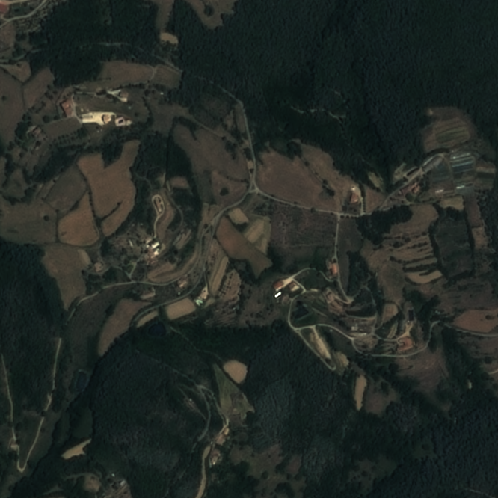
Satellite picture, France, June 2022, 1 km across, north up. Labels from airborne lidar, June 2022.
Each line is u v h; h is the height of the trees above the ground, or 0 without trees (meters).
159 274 0
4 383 0
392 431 15
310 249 0
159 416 0
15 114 0
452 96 13
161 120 0
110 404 17
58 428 20
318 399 16
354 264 10
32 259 25
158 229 0
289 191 0
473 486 13
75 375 9
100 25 12
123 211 0
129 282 7
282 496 0
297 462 0
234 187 0
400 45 13
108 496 0
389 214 10
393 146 20
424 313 12
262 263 0
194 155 0
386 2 16
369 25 22
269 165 0
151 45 15
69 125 0
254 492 8
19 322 7
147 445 9
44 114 0
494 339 0
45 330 15
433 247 8
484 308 6
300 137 10
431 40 16
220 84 11
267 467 0
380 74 22
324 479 9
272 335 13
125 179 0
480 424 23
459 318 0
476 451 15
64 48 15
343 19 27
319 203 0
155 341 10
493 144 10
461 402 13
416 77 17
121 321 0
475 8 15
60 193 0
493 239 7
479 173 0
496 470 20
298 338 8
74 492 9
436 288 0
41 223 0
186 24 17
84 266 0
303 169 0
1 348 8
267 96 6
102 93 6
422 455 0
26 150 5
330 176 0
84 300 0
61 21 12
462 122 0
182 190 7
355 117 10
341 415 6
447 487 15
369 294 13
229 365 0
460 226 0
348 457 10
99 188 0
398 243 8
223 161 0
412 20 14
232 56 16
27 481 22
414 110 12
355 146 9
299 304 9
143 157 11
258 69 14
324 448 11
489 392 19
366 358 12
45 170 7
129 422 12
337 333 0
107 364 23
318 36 24
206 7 7
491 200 9
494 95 15
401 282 0
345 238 0
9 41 0
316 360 8
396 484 21
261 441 13
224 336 7
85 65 16
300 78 29
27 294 11
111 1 15
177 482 8
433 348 10
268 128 10
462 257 0
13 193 0
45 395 15
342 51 21
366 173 7
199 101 11
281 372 11
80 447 0
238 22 15
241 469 11
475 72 13
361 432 9
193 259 0
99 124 0
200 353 7
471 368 9
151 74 0
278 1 13
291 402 13
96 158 0
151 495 7
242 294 8
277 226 0
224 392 0
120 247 0
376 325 7
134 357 15
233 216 0
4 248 29
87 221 0
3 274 19
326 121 16
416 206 0
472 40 13
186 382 8
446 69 13
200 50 19
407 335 0
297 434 12
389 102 22
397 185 7
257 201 0
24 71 0
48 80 0
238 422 0
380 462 7
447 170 0
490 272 8
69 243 0
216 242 0
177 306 0
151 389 13
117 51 15
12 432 0
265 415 11
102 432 12
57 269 0
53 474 14
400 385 19
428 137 0
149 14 8
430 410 15
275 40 15
